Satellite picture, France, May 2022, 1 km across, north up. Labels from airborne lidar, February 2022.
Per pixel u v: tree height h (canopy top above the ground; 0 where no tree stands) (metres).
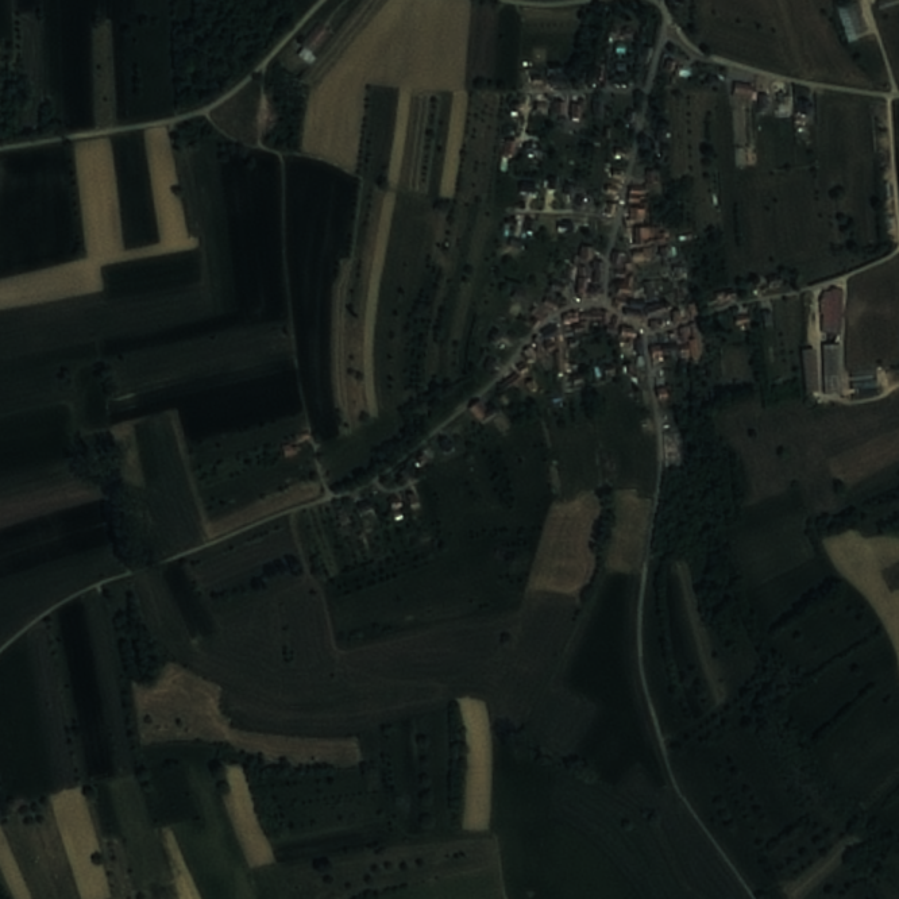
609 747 0
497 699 0
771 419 0
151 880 0
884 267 0
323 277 0
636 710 0
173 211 0
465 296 0
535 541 0
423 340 9
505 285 10
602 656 0
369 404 0
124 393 0
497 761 0
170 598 0
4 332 0
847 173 0
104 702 0
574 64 11
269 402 0
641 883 0
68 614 0
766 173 0
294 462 0
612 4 6
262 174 0
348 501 11
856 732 0
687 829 0
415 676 0
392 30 0
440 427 0
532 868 0
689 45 0
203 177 0
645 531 0
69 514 0
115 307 0
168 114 0
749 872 0
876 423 0
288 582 0
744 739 0
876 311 0
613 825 0
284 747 0
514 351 0
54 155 0
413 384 6
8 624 0
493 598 0
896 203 0
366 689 0
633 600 0
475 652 0
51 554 0
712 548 7
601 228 0
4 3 0
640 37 11
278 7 14
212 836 0
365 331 0
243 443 0
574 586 0
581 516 0
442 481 0
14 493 0
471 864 0
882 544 0
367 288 0
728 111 0
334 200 0
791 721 16
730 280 0
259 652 0
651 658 0
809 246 0
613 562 0
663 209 8
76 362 0
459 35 0
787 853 0
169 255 0
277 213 0
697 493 7
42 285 0
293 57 0
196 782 0
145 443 0
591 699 0
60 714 0
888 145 0
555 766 8
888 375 0
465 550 0
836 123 0
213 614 0
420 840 0
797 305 0
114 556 0
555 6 0
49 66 0
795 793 6
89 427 0
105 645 0
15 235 0
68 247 0
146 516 0
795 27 0
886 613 0
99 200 0
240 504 0
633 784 0
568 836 0
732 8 0
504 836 0
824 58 0
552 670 0
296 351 0
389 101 0
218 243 0
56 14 0
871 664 0
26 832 0
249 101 0
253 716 0
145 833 0
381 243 0
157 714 0
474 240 0
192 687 0
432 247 0
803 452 0
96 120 0
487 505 0
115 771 0
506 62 0
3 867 0
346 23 0
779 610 0
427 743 10
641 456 0
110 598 16
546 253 0
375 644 0
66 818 0
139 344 0
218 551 0
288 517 0
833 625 0
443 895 0
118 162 0
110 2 0
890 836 10
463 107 0
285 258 0
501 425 0
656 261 0
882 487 0
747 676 0
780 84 0
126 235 0
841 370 0
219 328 0
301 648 0
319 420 0
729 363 0
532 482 0
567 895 0
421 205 0
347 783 0
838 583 15
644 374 0
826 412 0
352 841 0
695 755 0
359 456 0
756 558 0
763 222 0
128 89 0
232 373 0
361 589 8
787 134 0
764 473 0
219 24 13
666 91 0
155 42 0
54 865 0
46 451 0
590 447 0
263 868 0
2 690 0
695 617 0
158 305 0
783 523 0
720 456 8
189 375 0
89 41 0
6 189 0
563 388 0
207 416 0
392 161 0
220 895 0
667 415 0
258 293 0
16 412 0
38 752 0
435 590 0
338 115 0
